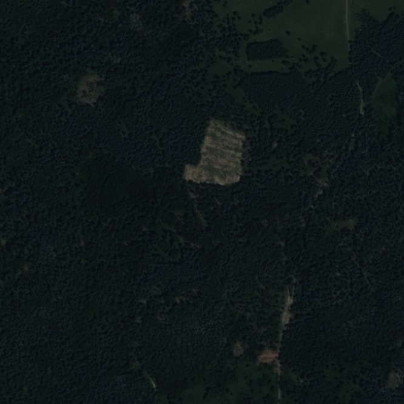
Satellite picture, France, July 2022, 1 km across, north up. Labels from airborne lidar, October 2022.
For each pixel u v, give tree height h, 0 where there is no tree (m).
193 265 13
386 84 0
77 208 26
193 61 14
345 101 17
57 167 29
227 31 24
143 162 22
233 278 21
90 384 28
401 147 20
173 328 20
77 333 22
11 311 19
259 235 28
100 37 29
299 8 0
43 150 28
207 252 27
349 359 16
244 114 20
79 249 30
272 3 0
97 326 18
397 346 26
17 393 21
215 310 27
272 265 24
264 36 0
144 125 22
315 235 21
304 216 16
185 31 8
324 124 18
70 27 10
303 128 22
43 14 10
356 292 8
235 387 0
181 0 30
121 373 23
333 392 14
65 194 29
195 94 8
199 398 0
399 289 29
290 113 26
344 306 20
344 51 0
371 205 26
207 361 21
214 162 0
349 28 0
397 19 22
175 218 32
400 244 23
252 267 23
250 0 0
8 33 7
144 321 21
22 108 29
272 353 0
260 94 20
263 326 19
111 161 9
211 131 0
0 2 7
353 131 18
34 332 14
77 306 13
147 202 12
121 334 21
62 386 15
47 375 18
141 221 27
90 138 33
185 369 28
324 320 16
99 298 15
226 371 14
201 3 25
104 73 30
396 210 22
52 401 23
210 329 22
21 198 27
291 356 15
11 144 27
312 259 26
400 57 24
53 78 22
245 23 0
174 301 11
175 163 21
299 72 16
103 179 9
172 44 14
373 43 11
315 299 30
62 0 15
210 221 31
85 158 27
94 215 9
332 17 0
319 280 21
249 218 27
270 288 11
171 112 11
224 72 0
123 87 10
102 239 26
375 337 25
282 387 12
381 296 23
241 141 0
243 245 29
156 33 15
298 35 0
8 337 16
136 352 22
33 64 8
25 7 8
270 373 0
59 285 22
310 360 15
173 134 20
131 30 19
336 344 14
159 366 21
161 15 14
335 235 7
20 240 27
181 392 10
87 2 17
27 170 34
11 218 30
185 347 16
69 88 10
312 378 29
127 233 24
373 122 22
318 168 20
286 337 14
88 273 9
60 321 13
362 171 21
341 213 8
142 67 28
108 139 20
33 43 13
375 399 28
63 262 30
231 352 14
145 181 11
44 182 32
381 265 31
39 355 20
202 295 29
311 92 19
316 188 28
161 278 28
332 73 11
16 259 24
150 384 18
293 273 11
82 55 29
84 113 18
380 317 26
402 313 31
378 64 24
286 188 14
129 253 27
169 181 37
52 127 19
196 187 30
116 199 12
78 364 22
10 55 9
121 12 13
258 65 0
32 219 31
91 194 9
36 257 29
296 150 18
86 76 7
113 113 15
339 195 12
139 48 20
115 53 9
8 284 13
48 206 30
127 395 15
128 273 14
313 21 0
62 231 32
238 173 0
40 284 19
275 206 25
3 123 24
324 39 0
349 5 0
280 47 16
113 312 14
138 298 30
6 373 19
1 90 12
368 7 0
